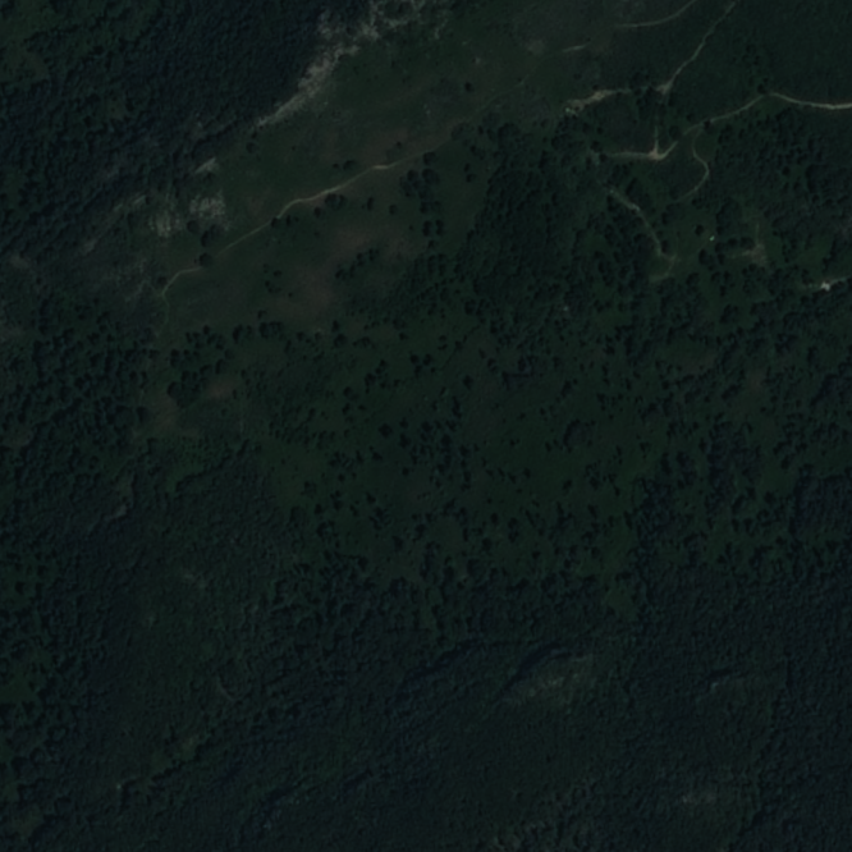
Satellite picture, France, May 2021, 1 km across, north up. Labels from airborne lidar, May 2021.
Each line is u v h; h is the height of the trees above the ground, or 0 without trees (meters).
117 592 17
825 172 18
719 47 9
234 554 21
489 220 11
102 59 12
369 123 0
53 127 17
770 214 19
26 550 19
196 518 23
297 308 0
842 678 23
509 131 20
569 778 16
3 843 22
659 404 8
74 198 8
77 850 15
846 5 9
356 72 7
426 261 9
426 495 7
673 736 18
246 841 13
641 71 7
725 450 20
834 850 21
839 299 12
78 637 24
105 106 26
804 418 14
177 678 23
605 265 16
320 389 11
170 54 15
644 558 31
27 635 21
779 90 12
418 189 24
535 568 23
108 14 16
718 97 7
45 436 15
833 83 7
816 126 9
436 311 14
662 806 6
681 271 0
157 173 15
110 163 6
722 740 23
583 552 20
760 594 23
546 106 6
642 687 17
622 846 26
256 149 17
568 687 6
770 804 20
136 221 12
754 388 0
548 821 23
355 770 12
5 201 23
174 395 17
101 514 7
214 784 11
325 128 0
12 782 10
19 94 13
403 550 18
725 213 17
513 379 18
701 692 15
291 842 19
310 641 25
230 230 0
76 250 11
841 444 6
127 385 13
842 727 23
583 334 13
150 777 17
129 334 6
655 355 22
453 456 21
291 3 11
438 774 14
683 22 7
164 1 19
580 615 20
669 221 21
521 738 19
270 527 22
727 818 13
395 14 8
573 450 13
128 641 8
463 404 14
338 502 13
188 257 0
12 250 17
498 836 17
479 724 19
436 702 15
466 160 0
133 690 22
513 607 22
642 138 7
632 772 22
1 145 15
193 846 19
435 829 19
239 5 14
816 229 14
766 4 8
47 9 9
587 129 22
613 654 15
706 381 20
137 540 21
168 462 21
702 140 0
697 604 14
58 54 22
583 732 18
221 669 20
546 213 20
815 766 24
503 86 0
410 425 14
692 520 19
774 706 10
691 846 20
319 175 0
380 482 0
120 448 14
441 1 10
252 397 9
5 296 11
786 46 7
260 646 22
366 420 8
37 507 9
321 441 10
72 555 12
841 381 21
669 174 8
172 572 18
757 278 14
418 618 17
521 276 16
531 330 11
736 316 25
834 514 25
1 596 25
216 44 15
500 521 17
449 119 0
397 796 14
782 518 20
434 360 21
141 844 22
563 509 19
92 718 22
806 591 16
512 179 16
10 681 24
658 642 21
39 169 17
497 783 16
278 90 11
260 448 17
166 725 21
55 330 23
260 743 17
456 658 11
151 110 17
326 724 18
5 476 20
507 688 10
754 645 20
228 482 14
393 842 17
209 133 9
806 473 10
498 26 7
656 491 19
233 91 16
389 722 19
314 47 9
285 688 22
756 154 13
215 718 19
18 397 14
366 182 0
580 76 8
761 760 19
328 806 13
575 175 21
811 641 16
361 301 6
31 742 23
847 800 24
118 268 7
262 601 11
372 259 14
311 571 21
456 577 29
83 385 21
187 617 21
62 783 20
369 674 23
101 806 22
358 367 7
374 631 25
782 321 25
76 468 13
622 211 19
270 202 0
